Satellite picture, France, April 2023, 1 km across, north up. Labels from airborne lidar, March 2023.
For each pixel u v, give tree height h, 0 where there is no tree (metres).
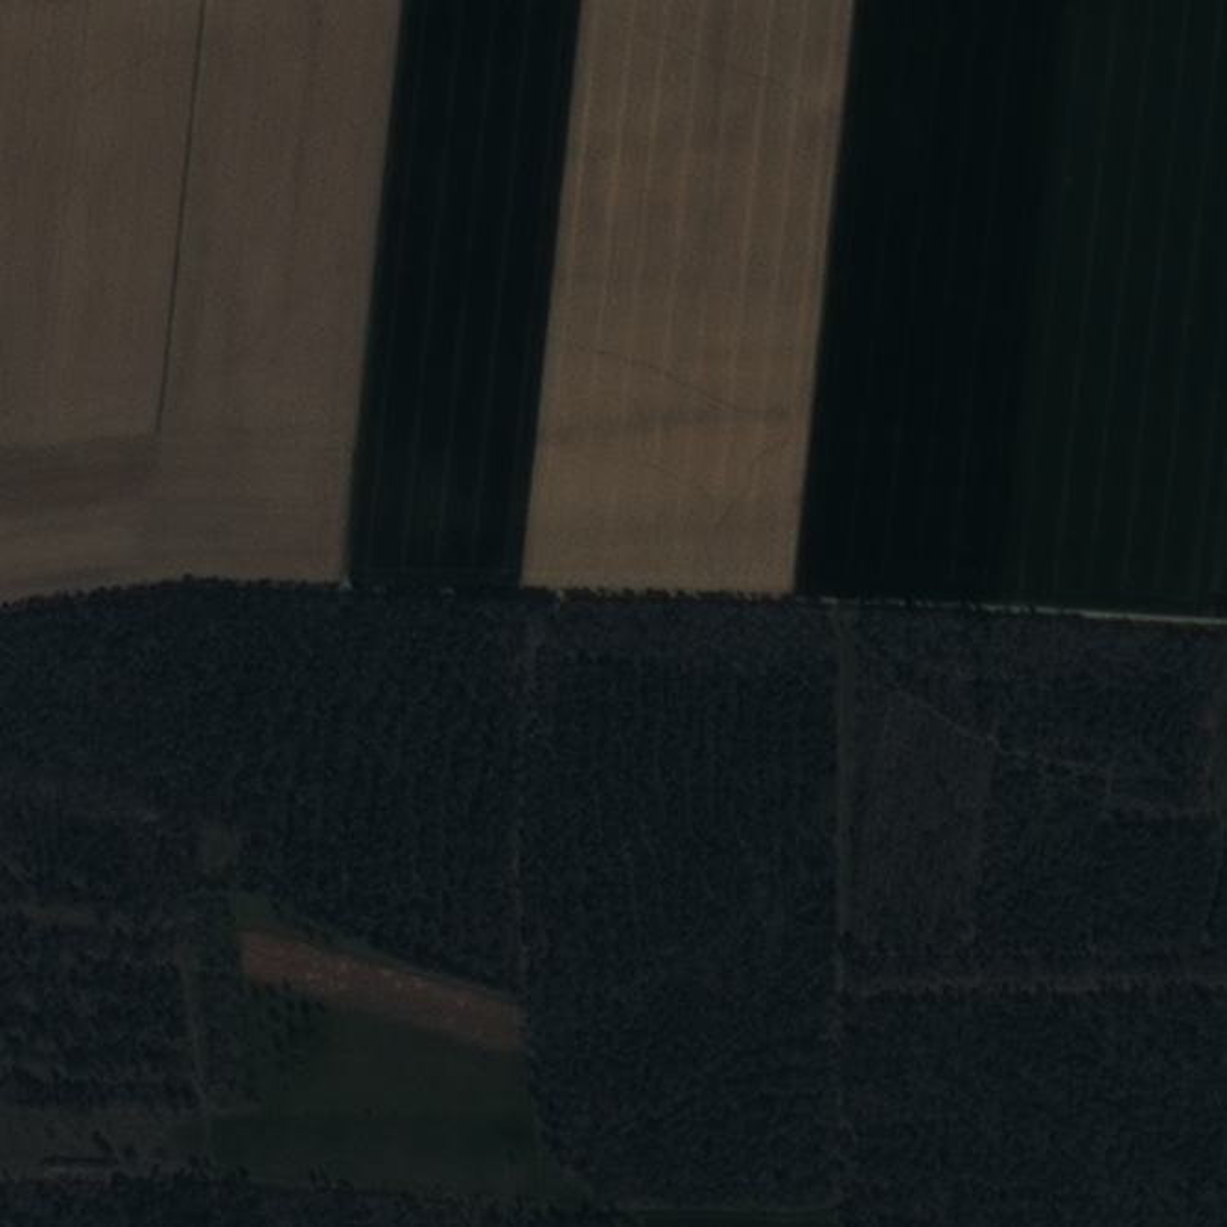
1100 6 0
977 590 0
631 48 0
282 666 13
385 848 14
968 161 0
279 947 0
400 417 0
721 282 0
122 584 0
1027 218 0
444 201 0
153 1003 14
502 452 0
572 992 15
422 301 0
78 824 6
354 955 0
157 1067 15
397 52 0
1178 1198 11
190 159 0
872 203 0
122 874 15
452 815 13
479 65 0
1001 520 0
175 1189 6
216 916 13
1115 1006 12
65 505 0
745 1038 15
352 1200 14
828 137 0
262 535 0
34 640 14
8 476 0
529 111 0
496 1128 0
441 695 14
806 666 13
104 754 13
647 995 11
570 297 0
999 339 0
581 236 0
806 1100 17
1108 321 0
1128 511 0
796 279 0
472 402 0
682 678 14
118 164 0
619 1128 7
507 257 0
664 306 0
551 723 14
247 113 0
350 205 0
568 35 0
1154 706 13
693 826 14
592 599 10
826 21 0
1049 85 0
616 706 14
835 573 0
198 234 0
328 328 0
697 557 0
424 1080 0
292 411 0
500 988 8
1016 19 0
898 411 0
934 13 0
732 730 9
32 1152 0
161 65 0
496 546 0
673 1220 0
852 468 0
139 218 0
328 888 14
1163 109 0
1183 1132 14
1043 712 11
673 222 0
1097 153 0
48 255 0
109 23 0
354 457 0
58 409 0
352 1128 0
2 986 14
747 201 0
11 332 0
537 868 15
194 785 13
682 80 0
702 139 0
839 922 15
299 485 0
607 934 16
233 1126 0
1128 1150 16
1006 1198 14
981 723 7
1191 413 0
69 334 0
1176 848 13
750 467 0
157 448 0
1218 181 0
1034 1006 14
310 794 15
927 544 0
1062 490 0
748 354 0
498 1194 0
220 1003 15
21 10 0
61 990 17
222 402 0
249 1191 11
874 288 0
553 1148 15
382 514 0
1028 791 7
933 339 0
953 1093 12
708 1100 13
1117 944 13
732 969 15
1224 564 0
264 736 12
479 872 15
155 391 0
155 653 15
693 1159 16
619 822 14
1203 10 0
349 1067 0
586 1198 0
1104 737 13
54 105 0
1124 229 0
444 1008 0
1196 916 12
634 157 0
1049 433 0
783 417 0
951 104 0
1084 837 7
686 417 0
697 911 14
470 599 12
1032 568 0
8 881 13
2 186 0
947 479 0
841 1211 6
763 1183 14
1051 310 0
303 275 0
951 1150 15
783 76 0
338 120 0
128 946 14
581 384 0
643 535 0
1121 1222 14
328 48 0
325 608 16
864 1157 13
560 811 14
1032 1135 15
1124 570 0
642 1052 14
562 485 0
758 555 0
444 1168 0
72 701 12
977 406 0
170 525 0
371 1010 0
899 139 0
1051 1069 15
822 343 0
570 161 0
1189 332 0
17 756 15
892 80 0
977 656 12
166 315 0
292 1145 0
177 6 0
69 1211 11
